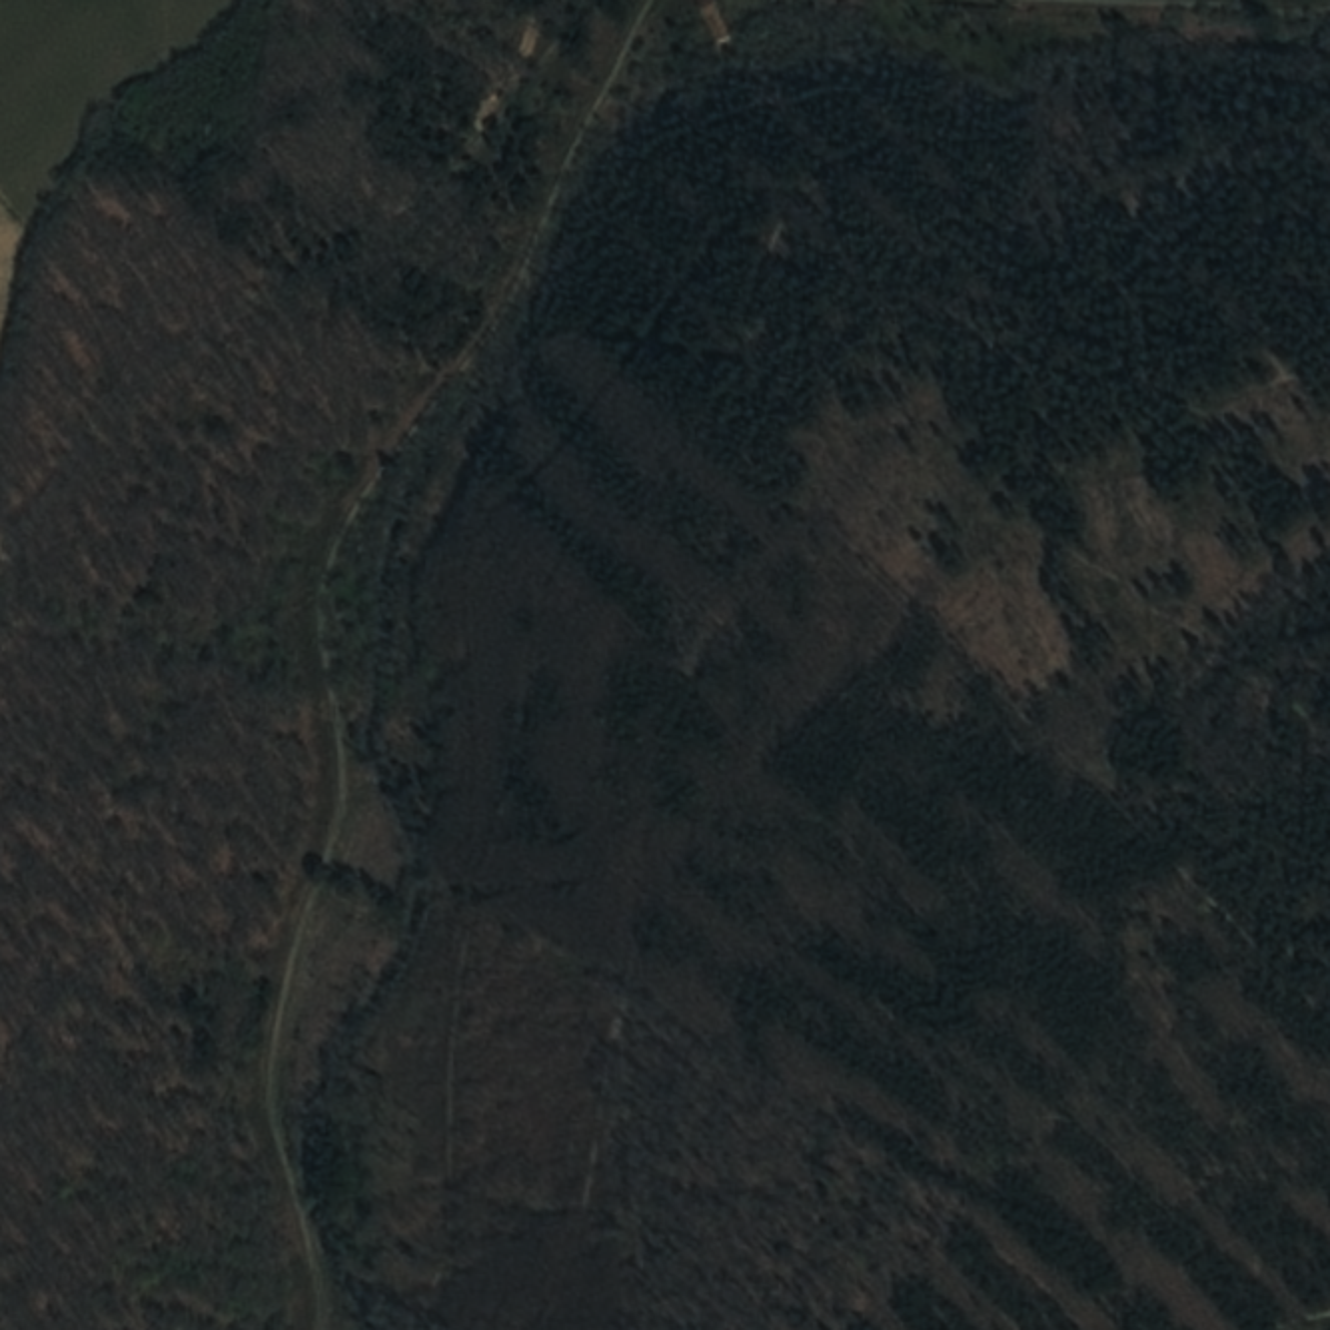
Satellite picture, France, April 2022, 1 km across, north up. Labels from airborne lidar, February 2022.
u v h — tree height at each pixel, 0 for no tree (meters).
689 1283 28
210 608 35
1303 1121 19
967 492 0
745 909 22
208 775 32
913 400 29
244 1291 34
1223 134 28
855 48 23
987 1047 24
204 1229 31
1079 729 23
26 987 33
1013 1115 20
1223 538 0
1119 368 32
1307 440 0
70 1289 33
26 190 0
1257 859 23
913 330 30
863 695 24
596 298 25
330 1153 34
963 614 0
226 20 10
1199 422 32
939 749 22
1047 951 22
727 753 15
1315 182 28
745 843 16
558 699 13
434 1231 10
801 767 23
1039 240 29
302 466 29
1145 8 0
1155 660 0
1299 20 16
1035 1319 25
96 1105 34
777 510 23
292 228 26
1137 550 0
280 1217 31
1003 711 20
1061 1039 21
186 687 34
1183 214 28
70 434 33
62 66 0
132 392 35
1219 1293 23
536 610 20
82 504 30
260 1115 0
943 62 19
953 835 23
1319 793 26
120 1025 34
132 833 29
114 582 34
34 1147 36
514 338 25
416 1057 0
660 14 0
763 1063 25
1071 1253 26
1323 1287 18
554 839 15
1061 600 27
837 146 23
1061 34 0
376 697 25
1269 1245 19
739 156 23
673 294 26
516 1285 18
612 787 15
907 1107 21
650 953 19
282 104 29
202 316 30
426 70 29
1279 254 28
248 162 29
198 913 34
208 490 36
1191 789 26
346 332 31
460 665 16
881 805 24
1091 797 21
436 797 16
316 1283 0
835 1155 33
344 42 31
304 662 22
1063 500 30
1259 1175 21
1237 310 27
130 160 28
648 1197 31
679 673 13
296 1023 0
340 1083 29
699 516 23
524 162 34
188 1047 28
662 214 26
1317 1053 17
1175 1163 18
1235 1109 23
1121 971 23
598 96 0
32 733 32
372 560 24
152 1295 6
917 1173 28
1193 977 19
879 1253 34
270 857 37
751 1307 30
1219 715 29
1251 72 18
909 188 25
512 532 23
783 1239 30
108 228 31
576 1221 10
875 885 20
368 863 0
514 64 29
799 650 19
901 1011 24
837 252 21
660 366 30
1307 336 31
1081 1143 21
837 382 23
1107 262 31
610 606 21
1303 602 24
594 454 21
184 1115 33
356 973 0
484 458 21
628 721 20
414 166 28
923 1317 28
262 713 35
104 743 27
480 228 30
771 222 24
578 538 21
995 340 33
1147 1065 20
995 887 20
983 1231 22
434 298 31
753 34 16
